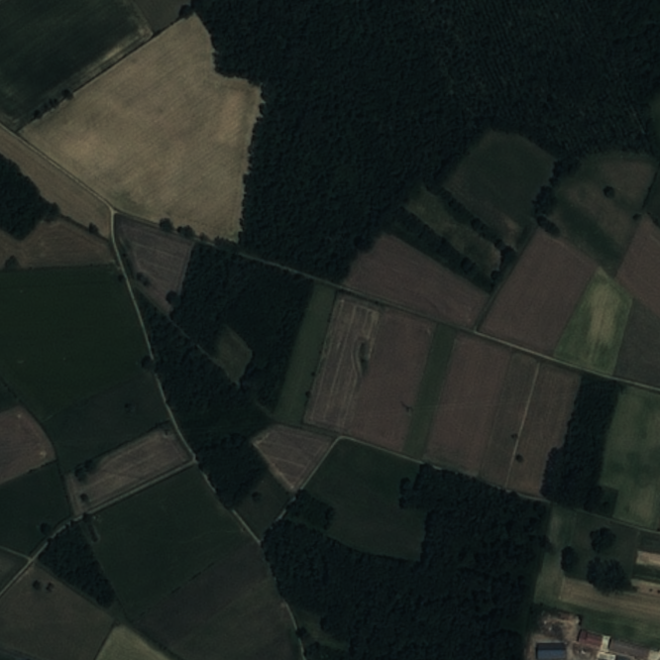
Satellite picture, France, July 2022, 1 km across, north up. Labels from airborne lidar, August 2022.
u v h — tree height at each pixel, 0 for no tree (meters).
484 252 0
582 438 10
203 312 15
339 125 11
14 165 12
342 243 12
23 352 0
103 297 0
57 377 0
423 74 13
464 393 0
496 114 25
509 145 0
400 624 24
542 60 28
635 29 22
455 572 20
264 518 0
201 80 0
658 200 0
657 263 0
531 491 0
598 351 0
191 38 0
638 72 12
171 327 14
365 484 0
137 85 0
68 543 13
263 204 8
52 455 0
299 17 16
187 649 0
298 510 10
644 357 0
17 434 0
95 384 0
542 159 0
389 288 0
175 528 0
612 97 30
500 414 0
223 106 0
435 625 23
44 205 12
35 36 0
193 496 0
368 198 8
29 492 0
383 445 0
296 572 20
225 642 0
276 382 8
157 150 0
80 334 0
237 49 15
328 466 0
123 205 0
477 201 0
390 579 18
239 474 16
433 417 0
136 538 0
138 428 0
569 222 0
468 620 22
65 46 0
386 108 9
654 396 0
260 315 12
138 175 0
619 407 0
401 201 21
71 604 0
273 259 10
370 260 0
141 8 0
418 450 0
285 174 14
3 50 0
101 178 0
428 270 0
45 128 0
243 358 0
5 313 0
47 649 0
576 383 0
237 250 17
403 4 23
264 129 11
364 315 0
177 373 18
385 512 0
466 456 0
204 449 14
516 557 8
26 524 0
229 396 16
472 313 0
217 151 0
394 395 0
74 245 0
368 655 23
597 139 27
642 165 0
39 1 0
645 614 0
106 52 0
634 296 0
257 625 0
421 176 19
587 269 0
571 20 25
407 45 14
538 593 0
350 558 24
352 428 0
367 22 19
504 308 0
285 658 0
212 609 0
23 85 0
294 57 18
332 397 0
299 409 0
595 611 0
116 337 0
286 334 12
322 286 0
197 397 15
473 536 34
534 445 0
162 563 0
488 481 0
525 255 0
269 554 17
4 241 0
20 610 0
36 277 0
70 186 0
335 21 7
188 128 0
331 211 6
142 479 0
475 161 0
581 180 0
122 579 0
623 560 0
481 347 0
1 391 0
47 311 0
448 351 0
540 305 0
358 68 15
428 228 16
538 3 23
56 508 0
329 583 25
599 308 0
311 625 0
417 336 0
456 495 23
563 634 0
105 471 0
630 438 0
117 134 0
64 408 0
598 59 27
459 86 10
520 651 18
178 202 0
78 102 0
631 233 0
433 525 22
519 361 0
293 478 0
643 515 0
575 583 0
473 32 17
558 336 0
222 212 0
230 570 0
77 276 0
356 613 20
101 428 0
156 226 0
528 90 24
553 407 0
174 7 0
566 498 32
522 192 0
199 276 14
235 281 16
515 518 30
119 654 0
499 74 21
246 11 24
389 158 12
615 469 0
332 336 0
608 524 0
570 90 31
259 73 13
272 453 0
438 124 21
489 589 20
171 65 0
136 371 0
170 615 0
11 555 0
